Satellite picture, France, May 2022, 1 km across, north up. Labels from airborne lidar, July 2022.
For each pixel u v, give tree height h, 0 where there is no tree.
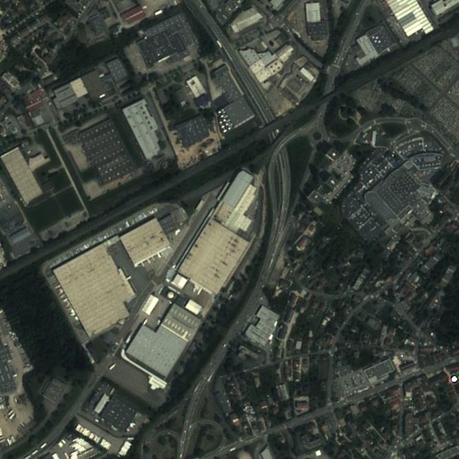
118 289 0
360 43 0
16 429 0
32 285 18
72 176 0
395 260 15
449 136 0
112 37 13
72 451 0
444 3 0
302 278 0
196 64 8
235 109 0
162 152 0
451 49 0
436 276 19
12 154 0
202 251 0
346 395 0
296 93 0
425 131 0
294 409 8
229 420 14
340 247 8
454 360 0
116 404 0
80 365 23
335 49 10
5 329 0
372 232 0
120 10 0
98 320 0
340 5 0
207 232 0
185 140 0
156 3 0
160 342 0
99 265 0
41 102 0
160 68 0
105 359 0
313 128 0
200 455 8
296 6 0
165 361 0
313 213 12
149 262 0
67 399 8
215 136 0
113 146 0
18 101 8
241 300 0
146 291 0
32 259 0
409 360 0
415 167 0
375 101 0
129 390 0
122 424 0
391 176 0
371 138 0
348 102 13
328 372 0
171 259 0
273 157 0
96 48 0
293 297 0
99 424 0
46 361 16
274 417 16
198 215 0
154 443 0
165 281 0
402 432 0
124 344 0
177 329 0
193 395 0
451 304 19
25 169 0
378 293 0
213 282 0
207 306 0
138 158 0
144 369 0
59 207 0
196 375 0
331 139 0
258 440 0
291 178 0
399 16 0
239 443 0
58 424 0
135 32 13
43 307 17
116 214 0
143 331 0
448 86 0
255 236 0
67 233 13
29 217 0
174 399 12
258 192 0
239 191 0
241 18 0
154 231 0
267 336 0
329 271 0
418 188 0
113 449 0
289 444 10
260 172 0
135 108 0
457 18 24
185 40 0
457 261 11
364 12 0
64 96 0
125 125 0
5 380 0
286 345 0
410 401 0
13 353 0
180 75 7
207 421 0
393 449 0
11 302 9
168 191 8
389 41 0
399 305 0
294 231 0
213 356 0
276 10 8
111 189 0
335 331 6
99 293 0
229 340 0
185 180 6
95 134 0
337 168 0
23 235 0
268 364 0
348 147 0
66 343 11
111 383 10
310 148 0
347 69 0
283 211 0
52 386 0
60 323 6
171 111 14
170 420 6
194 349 0
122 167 0
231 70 0
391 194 0
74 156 0
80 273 0
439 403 13
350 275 7
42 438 0
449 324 25
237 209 0
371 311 0
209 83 0
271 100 0
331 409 0
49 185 0
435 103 0
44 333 18
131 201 12
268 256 0
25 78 8
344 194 10
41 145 0
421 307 7
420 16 0
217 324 8
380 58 11
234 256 0
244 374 8
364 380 0
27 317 20
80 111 9
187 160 0
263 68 0
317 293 0
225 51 0
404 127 0
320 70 6
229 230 0
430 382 0
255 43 0
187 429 0
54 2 6
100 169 0
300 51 0
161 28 0
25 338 18
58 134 0
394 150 0
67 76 7
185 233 0
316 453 0
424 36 12
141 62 0
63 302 0
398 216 0
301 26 0
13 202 0
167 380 0
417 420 0
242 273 0
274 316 0
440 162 0
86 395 0
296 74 0
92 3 0
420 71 0
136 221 0
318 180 18
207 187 0
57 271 0
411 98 11
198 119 0
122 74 0
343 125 0
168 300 0
